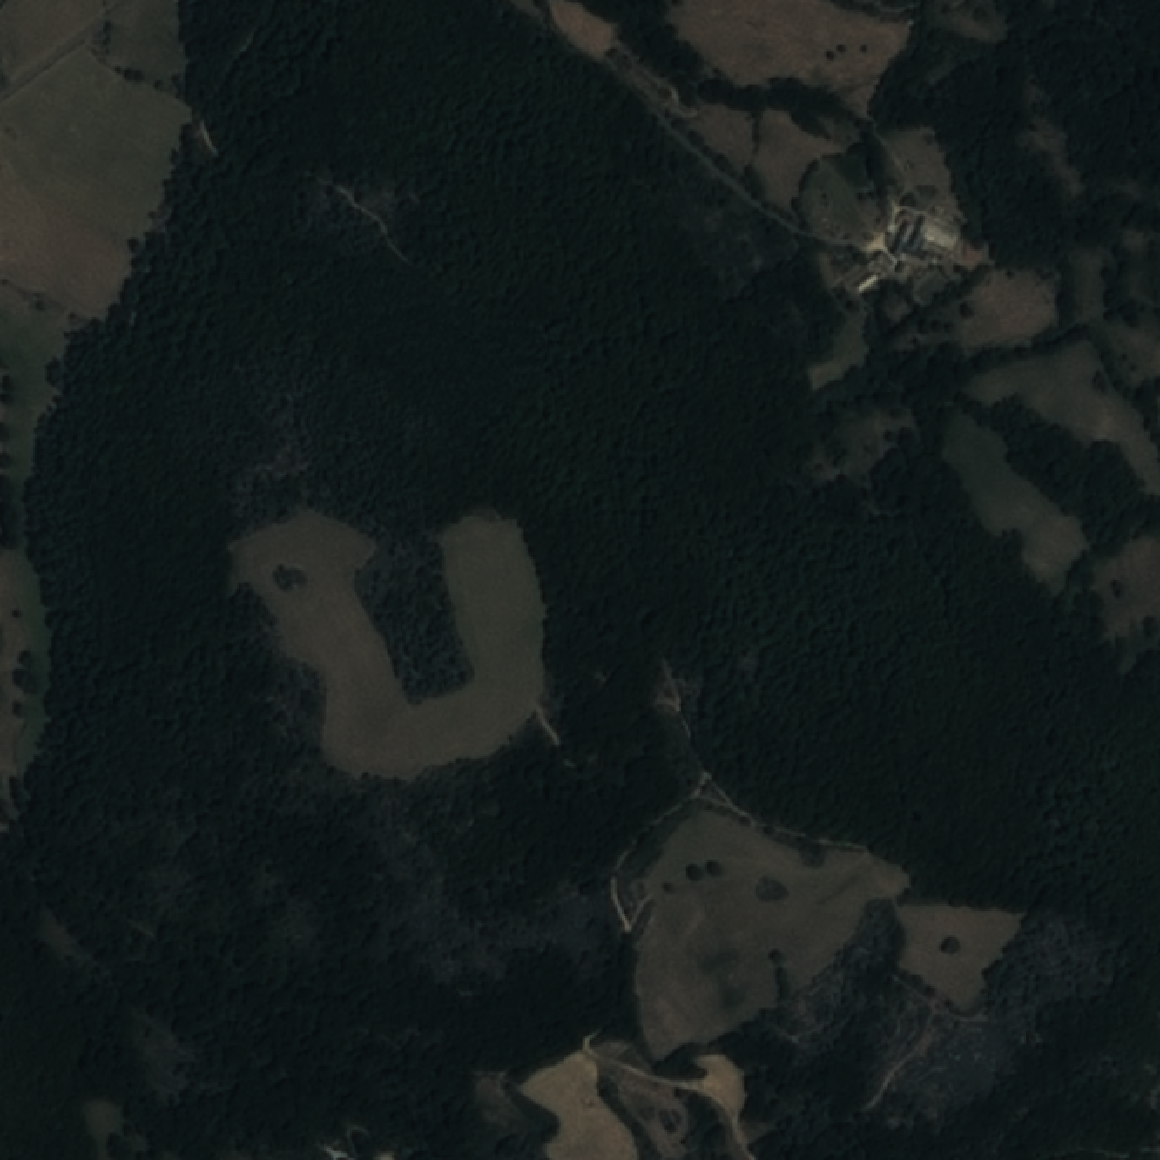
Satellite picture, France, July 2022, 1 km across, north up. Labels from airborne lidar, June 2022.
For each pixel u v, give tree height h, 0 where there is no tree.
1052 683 21
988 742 26
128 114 0
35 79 0
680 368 19
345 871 18
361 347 16
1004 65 10
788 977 12
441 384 19
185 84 8
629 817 13
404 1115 13
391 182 7
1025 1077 14
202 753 9
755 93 13
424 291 18
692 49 13
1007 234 18
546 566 13
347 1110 18
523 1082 7
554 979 12
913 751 21
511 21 17
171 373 13
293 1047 18
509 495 16
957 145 15
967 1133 14
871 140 12
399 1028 8
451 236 20
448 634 16
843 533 18
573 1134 0
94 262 0
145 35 0
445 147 17
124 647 17
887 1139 10
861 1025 9
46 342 0
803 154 0
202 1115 20
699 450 26
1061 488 13
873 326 11
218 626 15
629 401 21
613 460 15
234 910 7
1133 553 0
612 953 11
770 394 20
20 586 0
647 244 23
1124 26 18
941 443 20
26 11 0
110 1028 26
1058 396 0
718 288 23
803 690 17
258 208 16
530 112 19
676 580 21
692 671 12
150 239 8
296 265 12
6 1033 23
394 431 10
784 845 0
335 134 19
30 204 0
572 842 21
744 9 0
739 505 24
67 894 11
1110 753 15
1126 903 20
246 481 6
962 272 10
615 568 19
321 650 0
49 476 16
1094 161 14
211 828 15
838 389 16
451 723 0
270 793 8
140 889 9
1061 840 16
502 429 21
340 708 0
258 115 10
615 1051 0
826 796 19
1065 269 13
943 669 18
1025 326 0
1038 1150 20
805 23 0
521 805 10
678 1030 0
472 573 0
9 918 20
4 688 0
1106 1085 14
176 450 15
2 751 0
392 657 8
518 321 13
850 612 22
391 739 0
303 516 0
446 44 14
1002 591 23
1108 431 0
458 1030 12
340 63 22
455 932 7
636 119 11
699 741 13
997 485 0
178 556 11
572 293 14
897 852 26
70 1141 26
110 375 18
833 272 0
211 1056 15
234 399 15
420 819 9
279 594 0
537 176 22
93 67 0
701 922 0
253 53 7
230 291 11
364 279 16
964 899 17
